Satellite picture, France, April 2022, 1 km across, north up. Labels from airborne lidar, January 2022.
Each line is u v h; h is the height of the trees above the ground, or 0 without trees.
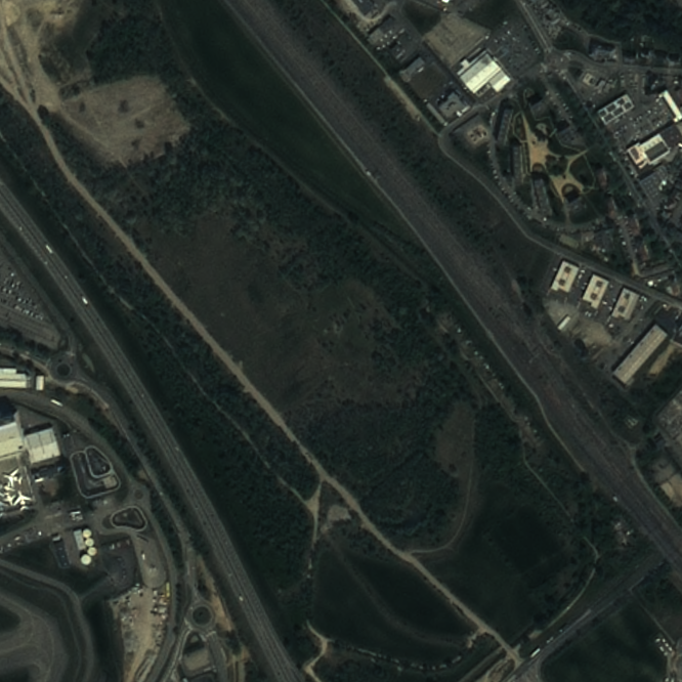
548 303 0
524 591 0
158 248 0
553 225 0
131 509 0
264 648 0
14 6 0
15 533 0
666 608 0
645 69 0
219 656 0
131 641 0
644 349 0
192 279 0
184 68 0
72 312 0
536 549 0
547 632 0
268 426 14
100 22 0
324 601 0
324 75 0
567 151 0
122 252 0
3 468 0
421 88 0
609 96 0
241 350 0
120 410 0
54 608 0
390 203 0
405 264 0
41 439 0
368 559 0
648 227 0
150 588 0
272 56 0
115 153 0
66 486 0
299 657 0
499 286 0
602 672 0
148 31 7
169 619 0
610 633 0
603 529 17
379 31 0
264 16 0
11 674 0
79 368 0
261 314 0
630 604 0
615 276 0
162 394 0
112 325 0
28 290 0
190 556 0
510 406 0
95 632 0
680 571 0
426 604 0
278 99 0
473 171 0
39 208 0
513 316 0
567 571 0
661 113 0
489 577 0
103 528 0
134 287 22
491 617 0
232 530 0
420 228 0
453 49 0
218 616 0
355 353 0
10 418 0
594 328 0
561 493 11
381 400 0
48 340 0
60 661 0
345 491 0
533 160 0
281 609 0
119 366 0
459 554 0
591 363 0
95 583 0
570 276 0
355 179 0
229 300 0
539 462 0
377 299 0
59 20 0
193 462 0
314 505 0
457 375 9
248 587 0
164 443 0
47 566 0
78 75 0
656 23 33
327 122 0
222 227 0
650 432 13
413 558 0
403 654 0
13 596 0
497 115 0
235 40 0
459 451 0
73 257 0
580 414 0
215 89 0
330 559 0
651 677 0
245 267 0
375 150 0
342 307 0
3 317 0
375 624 0
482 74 0
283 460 21
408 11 0
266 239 0
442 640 0
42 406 0
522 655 0
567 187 0
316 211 10
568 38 0
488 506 0
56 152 0
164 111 0
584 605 0
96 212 0
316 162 0
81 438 0
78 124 0
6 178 0
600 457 0
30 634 0
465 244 0
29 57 0
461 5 0
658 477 0
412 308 8
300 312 0
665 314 0
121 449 6
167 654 0
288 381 0
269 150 0
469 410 0
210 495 0
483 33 0
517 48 0
